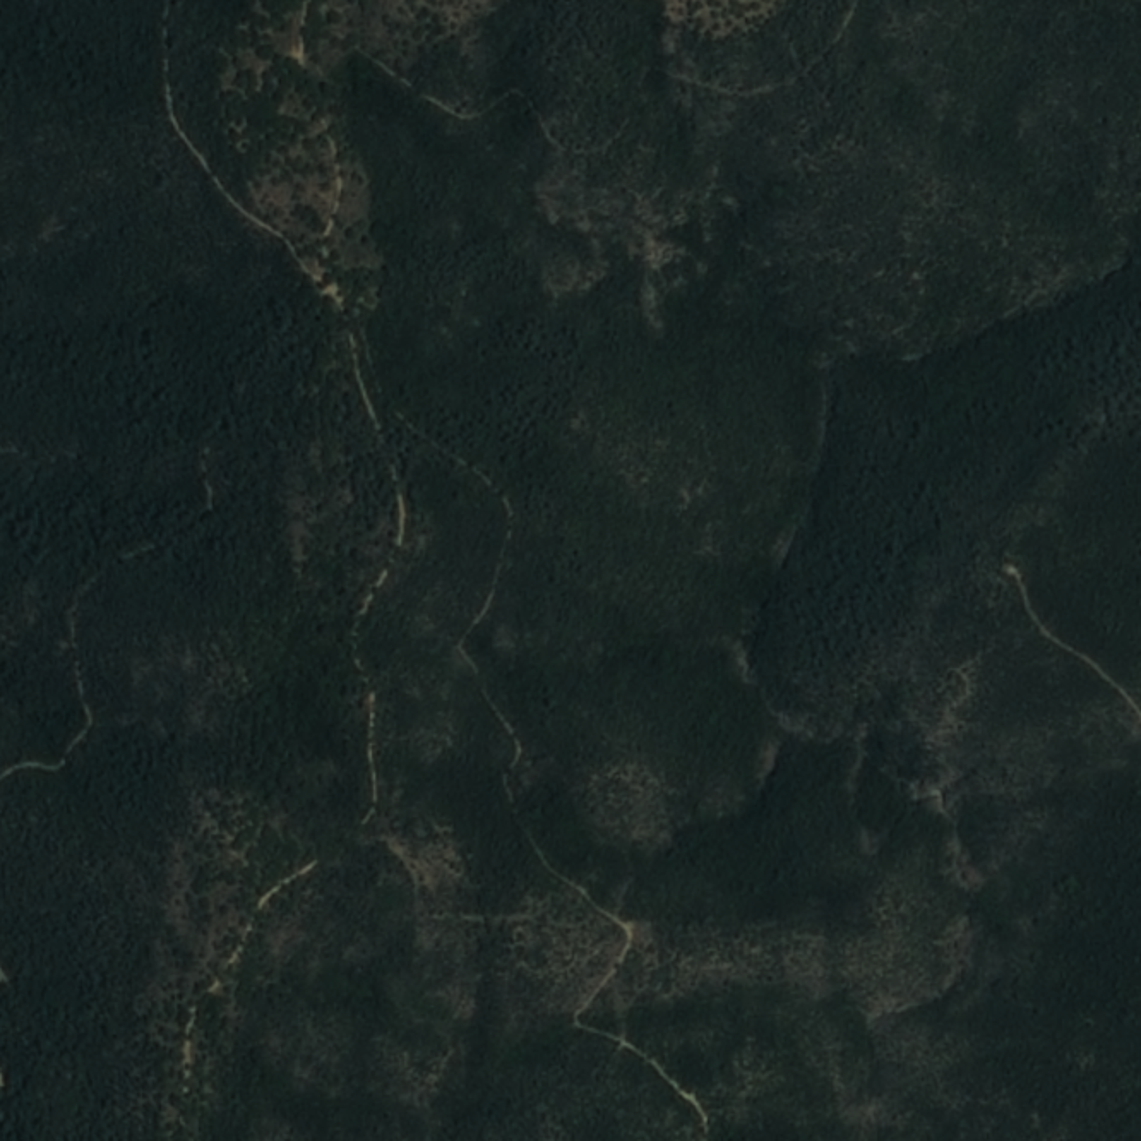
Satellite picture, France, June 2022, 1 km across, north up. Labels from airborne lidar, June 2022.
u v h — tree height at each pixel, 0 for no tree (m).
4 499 14
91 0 6
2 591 8
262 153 8
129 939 10
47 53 10
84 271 7
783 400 8
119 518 10
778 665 6
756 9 8
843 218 7
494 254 11
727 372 6
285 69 7
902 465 10
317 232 7
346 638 7
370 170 7
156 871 8
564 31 15
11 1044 8
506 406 14
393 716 7
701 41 6
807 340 7
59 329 7
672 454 7
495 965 7
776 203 5
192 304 6
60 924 10
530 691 7
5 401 9
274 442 9
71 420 6
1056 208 7
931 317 6
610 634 7
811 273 6
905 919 6
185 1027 8
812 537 6
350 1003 8
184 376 10
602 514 7
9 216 6
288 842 7
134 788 7
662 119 6
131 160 8
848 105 14
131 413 9
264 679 9
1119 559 5
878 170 6
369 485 12
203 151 7
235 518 8
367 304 7
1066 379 6
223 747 6
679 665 8
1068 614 5
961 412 9
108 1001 9
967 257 7
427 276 13
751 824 8
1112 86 6
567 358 14
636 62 7
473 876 5
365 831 7
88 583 6
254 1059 9
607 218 6
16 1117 13
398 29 8
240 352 6
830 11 9
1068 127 6
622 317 8
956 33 8
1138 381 14
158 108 7
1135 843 7
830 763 7
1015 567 6
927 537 7
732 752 6
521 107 12
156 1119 10
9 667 13
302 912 7
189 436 8
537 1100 6
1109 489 9
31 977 6
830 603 9
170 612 6
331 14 10
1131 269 10
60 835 8
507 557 7
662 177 6
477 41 8
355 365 7
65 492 8
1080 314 7
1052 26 11
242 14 9
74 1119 10
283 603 6
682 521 9
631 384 6
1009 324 8
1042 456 6
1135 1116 6
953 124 6
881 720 7
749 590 6
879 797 8
